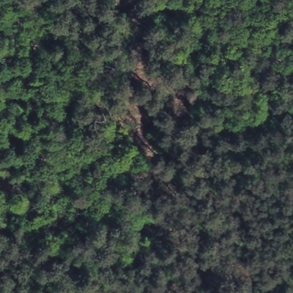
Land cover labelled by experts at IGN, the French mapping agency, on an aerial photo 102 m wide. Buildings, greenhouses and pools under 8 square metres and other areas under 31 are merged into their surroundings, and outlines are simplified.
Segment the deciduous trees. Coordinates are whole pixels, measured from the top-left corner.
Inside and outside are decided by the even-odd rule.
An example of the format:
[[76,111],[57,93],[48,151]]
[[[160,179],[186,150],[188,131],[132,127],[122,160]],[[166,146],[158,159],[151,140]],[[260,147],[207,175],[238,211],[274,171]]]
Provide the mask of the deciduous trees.
[[204,122],[206,128],[213,128],[216,133],[223,129],[239,132],[247,126],[259,126],[268,117],[267,95],[259,97],[259,112],[252,111],[252,94],[258,92],[259,81],[251,77],[251,70],[255,68],[256,62],[245,62],[239,70],[225,71],[222,79],[217,81],[217,90],[241,96],[243,102],[230,111],[217,110],[216,118],[208,118]]
[[124,133],[120,133],[119,124],[110,125],[97,140],[92,140],[88,136],[72,138],[69,140],[65,137],[63,127],[58,128],[57,133],[39,135],[39,130],[48,126],[48,122],[39,122],[38,117],[43,113],[63,120],[64,106],[69,104],[70,95],[73,92],[81,93],[78,74],[85,65],[84,61],[80,60],[79,50],[63,63],[60,58],[63,53],[43,53],[37,60],[30,62],[30,49],[38,48],[39,41],[43,35],[50,33],[52,26],[49,19],[42,19],[33,11],[34,7],[47,0],[0,0],[0,171],[8,172],[9,167],[25,166],[23,175],[15,177],[11,184],[45,181],[42,197],[38,201],[37,217],[32,221],[21,222],[21,232],[25,233],[54,222],[60,212],[72,221],[77,208],[81,208],[82,215],[101,220],[111,208],[120,211],[121,215],[133,223],[132,229],[141,230],[144,224],[152,222],[152,215],[144,207],[141,211],[132,213],[122,204],[121,198],[100,195],[100,190],[106,187],[109,177],[119,173],[148,172],[151,157],[146,156],[145,152],[141,155],[136,150],[134,141],[128,141]]
[[243,10],[245,21],[229,35],[213,34],[208,38],[211,42],[231,42],[227,50],[230,60],[237,60],[241,56],[241,53],[236,52],[240,47],[254,45],[254,54],[269,57],[271,45],[279,45],[278,27],[274,21],[269,22],[264,16],[250,17],[251,8],[256,0],[230,0],[231,8]]
[[3,217],[3,212],[26,213],[29,200],[25,198],[16,205],[7,205],[5,193],[0,195],[0,228],[6,228]]

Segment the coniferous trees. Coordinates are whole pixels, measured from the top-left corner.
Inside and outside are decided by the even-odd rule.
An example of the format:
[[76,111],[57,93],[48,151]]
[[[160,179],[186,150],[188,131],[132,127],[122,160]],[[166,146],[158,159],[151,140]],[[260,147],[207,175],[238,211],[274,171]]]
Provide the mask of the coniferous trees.
[[[120,97],[129,94],[129,103],[135,102],[138,106],[144,106],[153,125],[165,132],[161,148],[151,157],[148,172],[119,173],[109,177],[106,187],[100,190],[100,195],[121,198],[122,204],[132,213],[141,211],[144,207],[152,215],[152,222],[144,224],[141,230],[132,229],[133,223],[121,215],[120,211],[111,208],[101,220],[82,215],[81,208],[77,208],[72,221],[60,212],[54,222],[25,233],[21,232],[21,222],[11,219],[11,216],[3,217],[6,228],[0,228],[0,293],[293,293],[293,0],[256,0],[251,8],[250,17],[264,16],[269,22],[274,21],[278,27],[279,45],[271,45],[269,57],[254,54],[254,45],[240,47],[236,52],[241,53],[241,56],[237,60],[230,60],[227,50],[231,42],[211,42],[208,38],[213,34],[229,35],[245,21],[243,10],[231,8],[230,0],[47,0],[34,7],[33,11],[42,19],[49,19],[52,26],[50,33],[43,35],[39,41],[38,48],[30,49],[30,62],[37,60],[43,53],[63,53],[60,58],[63,63],[79,50],[80,60],[84,61],[85,65],[78,74],[81,93],[84,93],[84,97],[74,110],[72,119],[74,124],[79,126],[72,130],[72,138],[88,136],[92,140],[97,140],[110,125],[119,124],[118,120],[111,118],[109,112],[118,104]],[[245,62],[256,62],[255,68],[251,70],[251,77],[259,81],[258,92],[252,94],[252,111],[259,112],[259,97],[267,95],[268,117],[259,126],[247,126],[239,132],[223,129],[216,133],[213,128],[206,128],[204,122],[208,118],[216,118],[217,110],[230,111],[243,102],[241,96],[217,90],[217,81],[222,79],[225,71],[239,70]]]

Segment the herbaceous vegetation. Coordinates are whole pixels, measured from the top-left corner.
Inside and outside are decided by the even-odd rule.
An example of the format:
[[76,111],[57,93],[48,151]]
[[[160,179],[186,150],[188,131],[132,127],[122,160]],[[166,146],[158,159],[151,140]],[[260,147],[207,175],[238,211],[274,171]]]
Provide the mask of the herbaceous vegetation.
[[141,155],[145,152],[146,156],[151,157],[161,148],[165,132],[153,125],[144,106],[138,106],[135,102],[129,103],[129,94],[120,97],[118,104],[109,112],[111,118],[118,120],[119,124],[120,133],[124,133],[128,141],[134,141],[136,150]]
[[3,212],[3,217],[11,216],[11,219],[21,222],[32,221],[37,217],[38,201],[42,197],[45,181],[11,184],[15,177],[23,175],[25,166],[9,167],[8,172],[0,171],[0,195],[5,193],[7,205],[16,205],[25,198],[29,200],[26,213]]
[[63,127],[65,137],[69,140],[72,138],[72,130],[79,126],[74,124],[72,119],[74,110],[84,97],[84,93],[81,93],[73,92],[70,95],[69,104],[64,106],[63,120],[43,113],[38,117],[39,122],[48,122],[48,126],[39,130],[39,135],[57,133],[58,128]]

